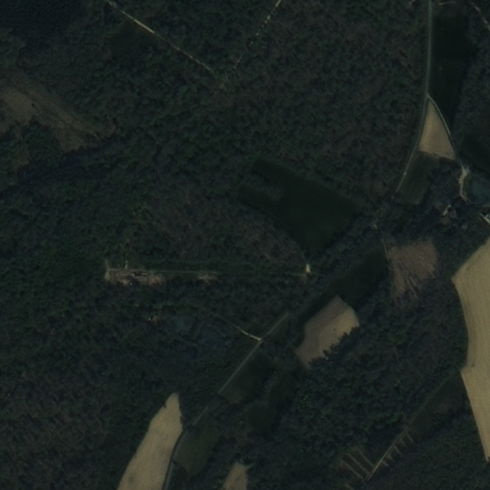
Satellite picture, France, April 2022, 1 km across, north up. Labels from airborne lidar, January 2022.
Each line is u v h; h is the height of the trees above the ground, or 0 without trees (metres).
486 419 0
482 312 0
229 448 23
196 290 30
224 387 0
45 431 35
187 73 33
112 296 33
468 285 0
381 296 25
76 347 10
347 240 19
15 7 23
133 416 20
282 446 26
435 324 27
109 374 39
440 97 0
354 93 32
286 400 0
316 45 27
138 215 29
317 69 31
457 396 0
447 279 23
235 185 19
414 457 20
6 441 23
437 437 18
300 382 25
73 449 39
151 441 0
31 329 28
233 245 30
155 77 8
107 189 23
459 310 23
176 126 34
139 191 22
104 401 37
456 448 16
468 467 22
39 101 0
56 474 36
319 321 0
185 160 28
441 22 0
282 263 23
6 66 28
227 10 29
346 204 0
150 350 28
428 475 23
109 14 27
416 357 26
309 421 29
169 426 0
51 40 26
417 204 0
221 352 15
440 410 0
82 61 23
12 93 0
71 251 24
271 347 7
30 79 23
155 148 30
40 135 21
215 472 25
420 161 0
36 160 27
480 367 0
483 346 0
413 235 29
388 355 30
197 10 27
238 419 20
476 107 23
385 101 31
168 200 35
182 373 28
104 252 25
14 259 19
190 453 0
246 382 0
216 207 35
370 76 31
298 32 30
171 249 27
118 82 26
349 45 29
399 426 27
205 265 16
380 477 18
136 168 26
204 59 28
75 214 28
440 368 24
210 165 11
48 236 28
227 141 6
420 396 22
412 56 8
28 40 22
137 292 36
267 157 18
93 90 28
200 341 21
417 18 28
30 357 23
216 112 34
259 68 28
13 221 27
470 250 19
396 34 27
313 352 0
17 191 26
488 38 34
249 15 28
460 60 0
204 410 0
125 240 31
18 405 33
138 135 32
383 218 13
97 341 29
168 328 22
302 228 0
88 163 32
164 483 0
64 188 26
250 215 33
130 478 0
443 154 0
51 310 26
